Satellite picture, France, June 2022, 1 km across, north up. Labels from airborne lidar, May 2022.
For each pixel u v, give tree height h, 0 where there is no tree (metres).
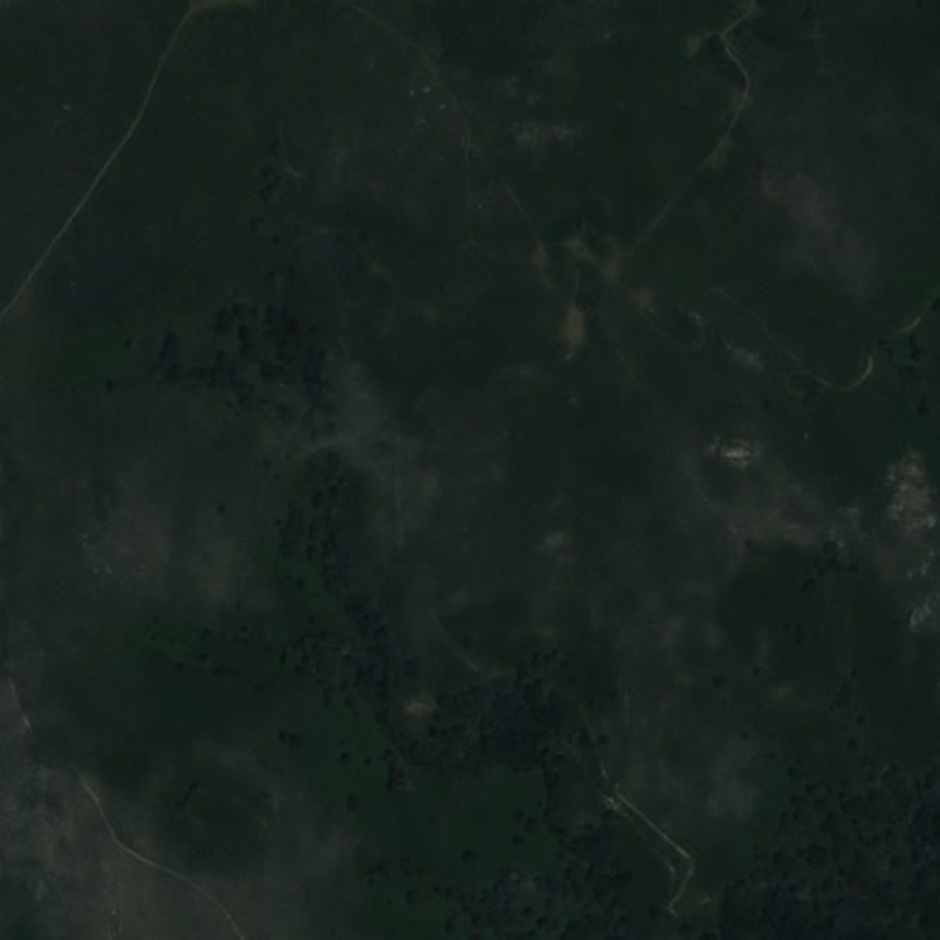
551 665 15
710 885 0
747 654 0
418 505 0
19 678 0
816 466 0
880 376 0
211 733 0
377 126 0
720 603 0
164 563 0
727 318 0
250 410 10
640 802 0
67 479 0
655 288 0
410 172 0
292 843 0
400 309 0
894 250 0
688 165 0
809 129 0
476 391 0
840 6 0
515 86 0
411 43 0
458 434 0
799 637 12
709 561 0
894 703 0
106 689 0
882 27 0
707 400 0
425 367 0
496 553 0
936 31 0
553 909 11
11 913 0
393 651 15
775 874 12
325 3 0
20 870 0
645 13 0
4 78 0
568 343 0
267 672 0
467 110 0
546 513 0
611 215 0
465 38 0
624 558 0
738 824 0
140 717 0
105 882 0
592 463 0
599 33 0
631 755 0
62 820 0
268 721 0
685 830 0
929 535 0
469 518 0
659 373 0
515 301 0
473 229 0
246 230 0
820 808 13
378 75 0
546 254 0
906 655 0
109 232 0
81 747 0
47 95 0
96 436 0
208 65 0
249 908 0
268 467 9
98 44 0
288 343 14
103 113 0
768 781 0
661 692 0
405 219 0
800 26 0
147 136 0
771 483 0
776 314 0
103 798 0
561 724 13
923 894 15
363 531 0
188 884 0
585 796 0
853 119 0
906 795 10
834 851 8
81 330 0
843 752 0
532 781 0
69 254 0
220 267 0
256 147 0
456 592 0
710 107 0
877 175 0
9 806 0
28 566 0
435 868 0
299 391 6
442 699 11
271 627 0
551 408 0
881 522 0
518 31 0
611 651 0
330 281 0
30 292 0
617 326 0
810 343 0
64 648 0
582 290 0
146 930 0
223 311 7
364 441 0
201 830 0
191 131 0
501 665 0
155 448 0
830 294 0
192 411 0
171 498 0
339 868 0
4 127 0
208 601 0
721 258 0
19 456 0
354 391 0
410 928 0
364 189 0
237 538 0
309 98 0
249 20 0
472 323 0
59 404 0
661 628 0
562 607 0
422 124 0
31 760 0
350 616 9
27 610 0
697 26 0
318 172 0
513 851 0
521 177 0
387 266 0
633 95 0
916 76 0
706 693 0
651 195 0
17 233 0
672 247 0
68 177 0
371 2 0
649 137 0
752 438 0
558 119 0
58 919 0
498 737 18
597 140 0
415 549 0
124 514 0
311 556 13
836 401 0
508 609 0
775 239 0
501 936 10
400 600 0
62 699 0
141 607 0
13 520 0
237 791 0
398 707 0
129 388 0
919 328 0
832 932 22
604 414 0
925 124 0
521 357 0
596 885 7
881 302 0
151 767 0
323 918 0
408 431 0
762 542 0
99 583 0
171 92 0
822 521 0
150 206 0
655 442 0
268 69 0
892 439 0
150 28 0
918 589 0
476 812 0
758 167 0
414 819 0
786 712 0
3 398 0
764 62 0
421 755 14
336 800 0
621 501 0
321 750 0
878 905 20
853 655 0
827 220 0
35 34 0
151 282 0
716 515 0
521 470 0
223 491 0
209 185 0
